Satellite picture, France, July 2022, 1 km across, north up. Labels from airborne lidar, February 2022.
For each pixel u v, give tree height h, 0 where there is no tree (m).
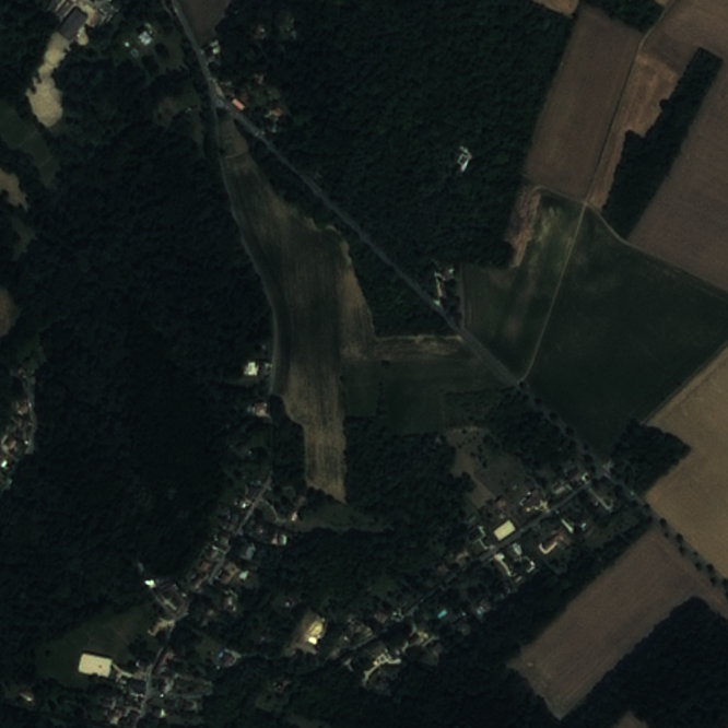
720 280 0
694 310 0
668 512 0
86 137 20
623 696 21
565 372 0
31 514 29
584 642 0
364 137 16
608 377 0
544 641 0
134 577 24
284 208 0
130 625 0
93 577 28
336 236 0
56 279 37
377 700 20
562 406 0
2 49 16
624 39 0
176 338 23
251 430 16
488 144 17
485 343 0
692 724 18
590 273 0
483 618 0
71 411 33
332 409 0
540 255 0
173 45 0
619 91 0
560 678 0
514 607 19
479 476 0
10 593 22
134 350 12
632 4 16
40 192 23
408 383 0
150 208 20
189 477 13
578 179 0
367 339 0
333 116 21
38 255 29
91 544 26
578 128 0
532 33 13
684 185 0
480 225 10
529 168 0
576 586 11
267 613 12
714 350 0
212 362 21
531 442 14
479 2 15
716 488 0
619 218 6
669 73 0
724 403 0
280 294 0
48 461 14
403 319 6
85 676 0
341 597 14
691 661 21
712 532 0
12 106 16
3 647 25
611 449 0
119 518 19
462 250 14
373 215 17
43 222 15
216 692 7
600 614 0
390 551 24
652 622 0
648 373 0
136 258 19
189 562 15
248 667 17
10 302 0
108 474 16
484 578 17
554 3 0
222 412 15
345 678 13
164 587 0
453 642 19
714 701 25
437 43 16
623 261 0
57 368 15
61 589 24
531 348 0
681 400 0
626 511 6
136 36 0
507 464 0
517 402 9
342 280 0
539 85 16
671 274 0
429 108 9
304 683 14
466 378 0
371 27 14
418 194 18
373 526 6
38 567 22
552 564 7
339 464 0
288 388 0
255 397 10
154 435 15
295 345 0
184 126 10
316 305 0
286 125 11
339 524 0
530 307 0
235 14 23
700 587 0
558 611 19
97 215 34
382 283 22
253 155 12
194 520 17
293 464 12
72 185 27
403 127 16
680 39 0
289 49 28
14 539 29
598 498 0
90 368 34
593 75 0
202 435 10
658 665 21
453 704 21
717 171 0
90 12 0
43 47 11
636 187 6
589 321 0
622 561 0
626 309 0
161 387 15
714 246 0
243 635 16
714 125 0
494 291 0
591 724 23
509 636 25
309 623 0
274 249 0
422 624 17
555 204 0
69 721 6
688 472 0
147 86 29
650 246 0
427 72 11
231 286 31
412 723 22
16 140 0
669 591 0
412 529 10
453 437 0
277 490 11
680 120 19
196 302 18
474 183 12
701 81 9
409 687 21
